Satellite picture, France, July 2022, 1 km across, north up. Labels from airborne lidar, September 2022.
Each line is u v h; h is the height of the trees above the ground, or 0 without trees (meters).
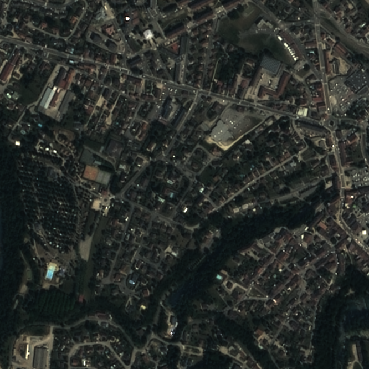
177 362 11
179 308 9
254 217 10
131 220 6
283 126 18
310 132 0
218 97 0
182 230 16
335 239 15
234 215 0
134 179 0
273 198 0
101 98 0
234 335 18
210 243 0
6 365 7
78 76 0
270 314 7
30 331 0
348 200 0
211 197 6
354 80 0
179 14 0
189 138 8
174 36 0
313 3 0
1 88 0
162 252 0
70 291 0
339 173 0
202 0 0
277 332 0
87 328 18
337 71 0
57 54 0
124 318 7
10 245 13
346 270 12
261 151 6
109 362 9
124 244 11
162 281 7
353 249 0
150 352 10
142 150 10
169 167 16
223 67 6
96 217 9
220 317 18
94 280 13
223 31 0
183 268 19
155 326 13
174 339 16
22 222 7
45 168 14
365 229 0
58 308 14
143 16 0
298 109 0
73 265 16
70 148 9
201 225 14
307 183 0
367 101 7
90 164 0
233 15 18
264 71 0
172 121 0
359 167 8
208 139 0
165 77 8
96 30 0
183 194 11
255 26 0
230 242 28
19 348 0
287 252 0
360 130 13
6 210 9
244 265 6
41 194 10
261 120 0
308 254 8
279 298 0
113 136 0
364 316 30
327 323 16
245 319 7
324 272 13
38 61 8
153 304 16
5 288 23
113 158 0
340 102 0
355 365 0
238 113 0
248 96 0
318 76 0
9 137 0
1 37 0
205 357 12
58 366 8
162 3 0
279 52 0
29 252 15
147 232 0
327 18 0
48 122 19
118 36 0
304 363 12
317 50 6
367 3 0
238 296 0
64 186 7
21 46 0
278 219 28
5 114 8
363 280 23
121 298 6
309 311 0
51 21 22
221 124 0
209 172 0
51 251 0
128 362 8
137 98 9
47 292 14
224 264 8
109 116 0
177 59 0
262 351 15
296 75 0
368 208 0
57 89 0
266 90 0
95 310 6
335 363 19
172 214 0
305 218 17
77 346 0
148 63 0
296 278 0
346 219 0
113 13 0
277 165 0
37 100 0
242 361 0
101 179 0
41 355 0
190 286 16
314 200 12
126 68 0
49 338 0
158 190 21
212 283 16
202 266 6
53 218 12
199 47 0
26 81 18
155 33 10
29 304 10
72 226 11
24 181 8
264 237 0
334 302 28
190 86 0
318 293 0
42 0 0
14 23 12
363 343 19
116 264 0
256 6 0
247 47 0
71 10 20
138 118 0
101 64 0
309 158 0
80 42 0
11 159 22
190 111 0
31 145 23
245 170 0
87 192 8
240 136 0
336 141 0
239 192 0
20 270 15
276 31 0
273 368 22
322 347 24
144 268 0
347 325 29
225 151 0
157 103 0
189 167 0
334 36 0
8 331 11
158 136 13
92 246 0
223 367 24
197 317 6
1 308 18
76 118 16
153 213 0
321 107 0
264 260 0
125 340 9
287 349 9
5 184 8
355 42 0
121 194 0
